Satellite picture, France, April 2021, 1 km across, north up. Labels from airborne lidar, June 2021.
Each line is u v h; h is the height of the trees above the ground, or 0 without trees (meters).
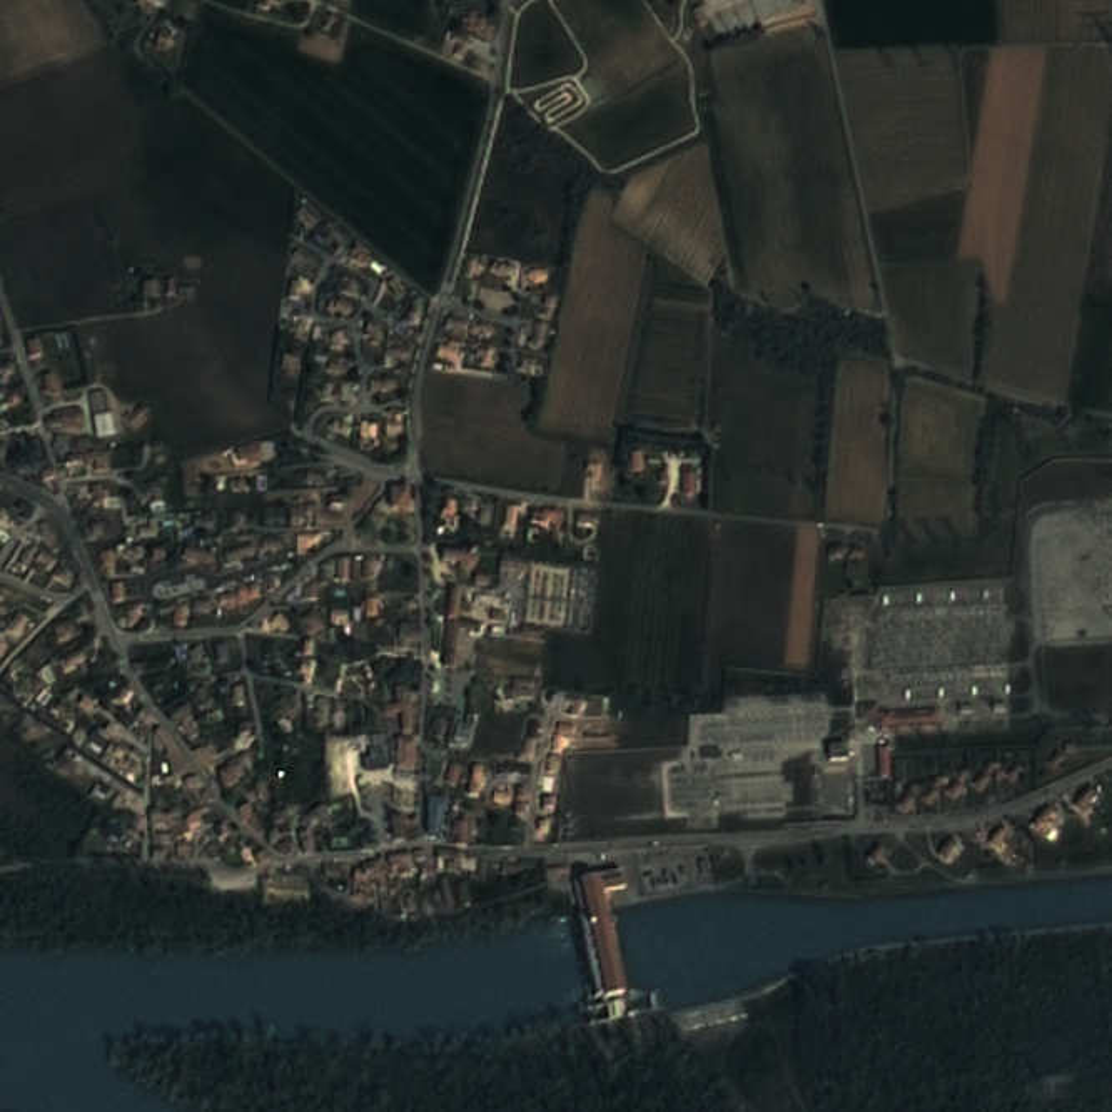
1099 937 8
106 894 10
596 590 0
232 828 7
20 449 12
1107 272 6
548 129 6
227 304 0
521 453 0
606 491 0
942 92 0
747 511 0
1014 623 0
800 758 0
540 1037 12
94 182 0
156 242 0
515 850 0
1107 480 0
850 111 0
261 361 0
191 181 0
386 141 0
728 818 0
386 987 0
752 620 0
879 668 0
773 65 0
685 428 0
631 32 0
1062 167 0
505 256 0
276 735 9
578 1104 14
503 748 0
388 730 0
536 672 0
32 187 0
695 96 0
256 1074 10
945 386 7
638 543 0
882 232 0
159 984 0
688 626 0
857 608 0
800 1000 24
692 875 0
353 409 0
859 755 0
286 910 17
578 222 9
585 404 0
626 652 0
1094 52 0
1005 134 0
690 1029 0
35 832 9
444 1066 7
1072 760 0
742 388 0
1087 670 0
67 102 0
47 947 13
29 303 0
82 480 0
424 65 0
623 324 0
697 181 0
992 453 7
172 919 21
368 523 8
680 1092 15
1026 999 13
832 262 0
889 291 0
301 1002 0
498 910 11
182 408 0
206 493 11
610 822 0
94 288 0
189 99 0
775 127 0
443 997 0
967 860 0
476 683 9
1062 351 0
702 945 0
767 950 0
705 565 0
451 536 10
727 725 0
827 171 0
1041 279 0
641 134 0
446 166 0
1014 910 0
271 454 0
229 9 0
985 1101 10
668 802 0
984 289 13
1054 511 0
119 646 0
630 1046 15
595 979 0
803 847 0
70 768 0
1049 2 0
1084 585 0
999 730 0
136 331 0
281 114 0
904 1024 10
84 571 0
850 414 0
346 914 18
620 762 0
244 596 0
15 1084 0
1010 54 0
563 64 0
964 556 0
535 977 0
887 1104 10
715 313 8
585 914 0
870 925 0
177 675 8
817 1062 10
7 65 0
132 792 0
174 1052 24
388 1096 11
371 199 0
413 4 0
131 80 0
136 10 6
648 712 8
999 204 0
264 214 0
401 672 10
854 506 0
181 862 0
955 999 10
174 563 12
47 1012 0
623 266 0
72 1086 0
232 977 0
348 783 0
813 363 11
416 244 0
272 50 0
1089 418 6
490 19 8
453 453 0
